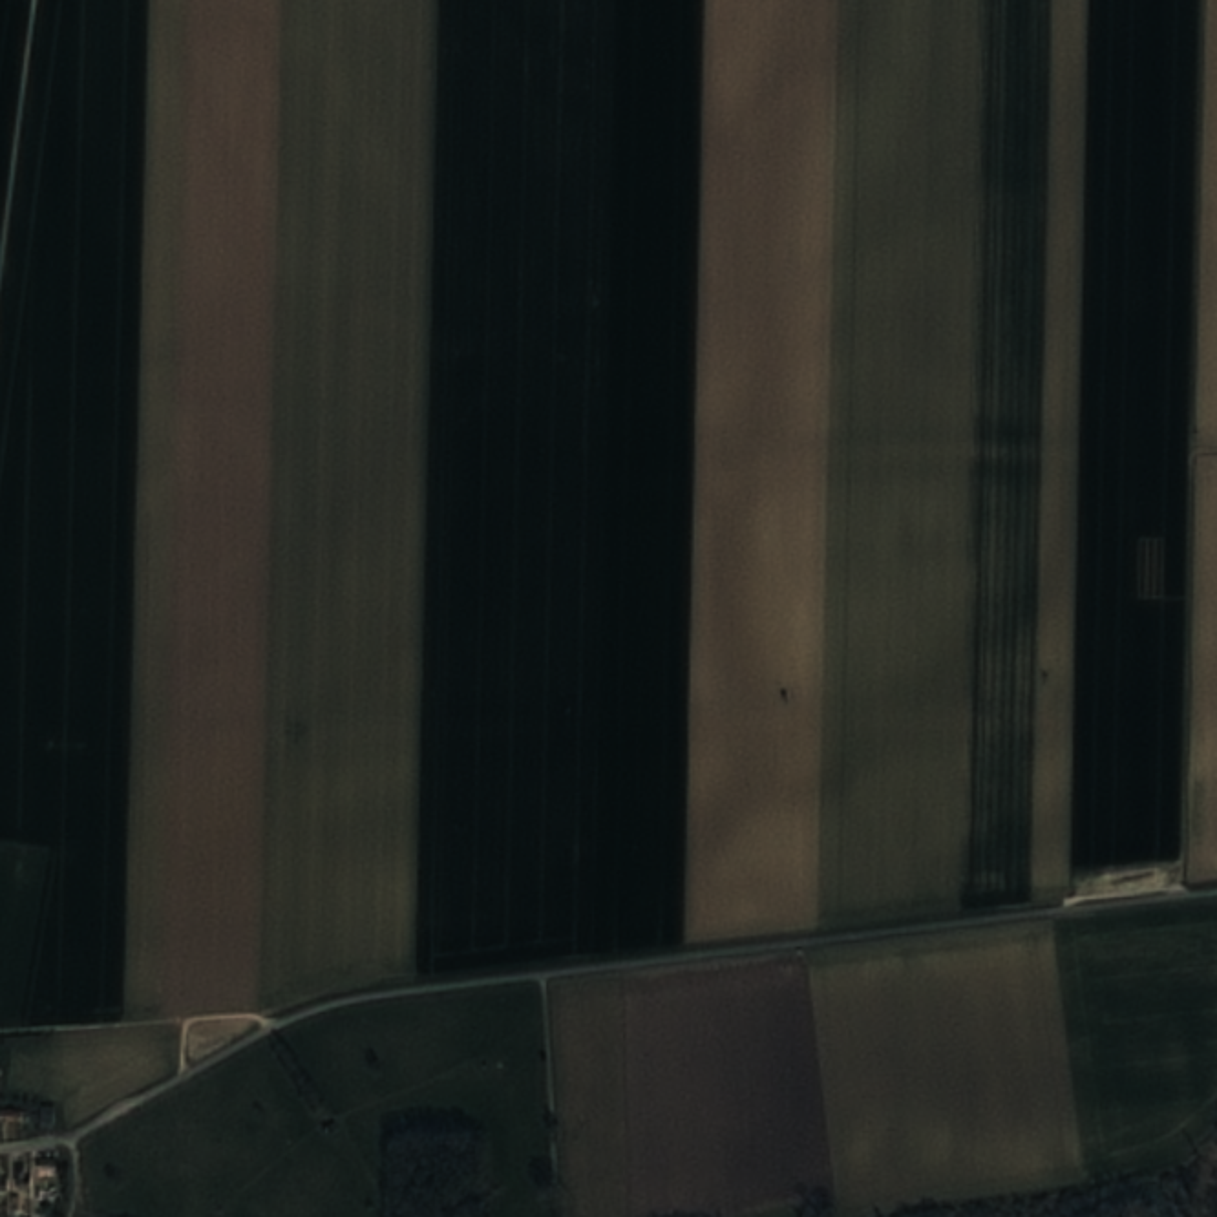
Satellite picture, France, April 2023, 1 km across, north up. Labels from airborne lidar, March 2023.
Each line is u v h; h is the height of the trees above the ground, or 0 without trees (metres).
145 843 0
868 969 0
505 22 0
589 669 0
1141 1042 0
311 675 0
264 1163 0
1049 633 0
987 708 0
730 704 0
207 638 0
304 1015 0
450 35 0
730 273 0
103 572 0
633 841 0
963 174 0
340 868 0
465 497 0
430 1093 0
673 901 0
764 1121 0
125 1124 0
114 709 0
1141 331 0
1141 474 0
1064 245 0
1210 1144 0
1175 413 0
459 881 0
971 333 0
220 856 0
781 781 0
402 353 0
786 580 0
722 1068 0
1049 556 0
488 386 0
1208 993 0
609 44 0
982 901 0
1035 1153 0
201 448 0
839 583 0
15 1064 0
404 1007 0
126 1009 0
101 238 0
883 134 0
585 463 0
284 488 0
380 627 0
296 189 0
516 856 0
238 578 0
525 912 0
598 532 0
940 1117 0
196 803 0
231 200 0
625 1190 0
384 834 0
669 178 0
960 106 0
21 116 0
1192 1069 0
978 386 0
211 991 0
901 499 0
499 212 0
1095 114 0
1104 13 0
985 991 0
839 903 0
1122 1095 0
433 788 0
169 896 0
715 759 0
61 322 0
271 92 0
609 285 0
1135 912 0
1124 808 0
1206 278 0
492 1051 0
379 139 0
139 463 0
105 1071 0
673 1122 0
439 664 0
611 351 0
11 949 0
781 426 0
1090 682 0
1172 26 0
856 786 0
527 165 0
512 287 0
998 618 0
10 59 0
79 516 0
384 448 0
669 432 0
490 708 0
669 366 0
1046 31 0
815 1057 0
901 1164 0
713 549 0
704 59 0
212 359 0
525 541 0
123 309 0
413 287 0
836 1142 0
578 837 0
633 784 0
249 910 0
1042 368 0
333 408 0
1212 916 0
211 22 0
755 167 0
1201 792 0
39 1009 0
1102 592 0
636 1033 0
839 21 0
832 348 0
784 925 0
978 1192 0
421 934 0
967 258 0
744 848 0
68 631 0
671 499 0
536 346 0
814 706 0
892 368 0
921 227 0
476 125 0
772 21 0
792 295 0
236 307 0
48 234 0
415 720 0
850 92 0
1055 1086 0
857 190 0
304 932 0
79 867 0
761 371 0
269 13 0
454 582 0
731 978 0
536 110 0
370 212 0
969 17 0
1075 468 0
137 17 0
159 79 0
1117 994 0
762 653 0
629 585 0
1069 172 0
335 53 0
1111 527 0
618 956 0
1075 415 0
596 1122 0
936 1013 0
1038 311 0
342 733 0
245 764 0
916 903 0
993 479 0
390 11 0
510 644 0
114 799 0
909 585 0
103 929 0
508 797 0
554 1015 0
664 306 0
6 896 0
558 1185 25
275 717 0
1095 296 0
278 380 0
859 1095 0
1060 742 0
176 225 0
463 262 0
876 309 0
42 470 0
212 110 0
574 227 0
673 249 0
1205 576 0
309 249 0
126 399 0
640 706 0
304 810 0
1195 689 0
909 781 0
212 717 0
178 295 0
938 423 0
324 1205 0
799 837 0
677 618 0
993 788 0
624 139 0
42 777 0
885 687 0
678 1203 0
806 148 0
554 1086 0
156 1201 0
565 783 0
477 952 0
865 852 0
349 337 0
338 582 0
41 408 0
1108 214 0
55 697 0
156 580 0
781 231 0
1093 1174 0
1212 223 0
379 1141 0
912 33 0
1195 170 0
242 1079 0
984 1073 0
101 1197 0
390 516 0
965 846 0
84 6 0
